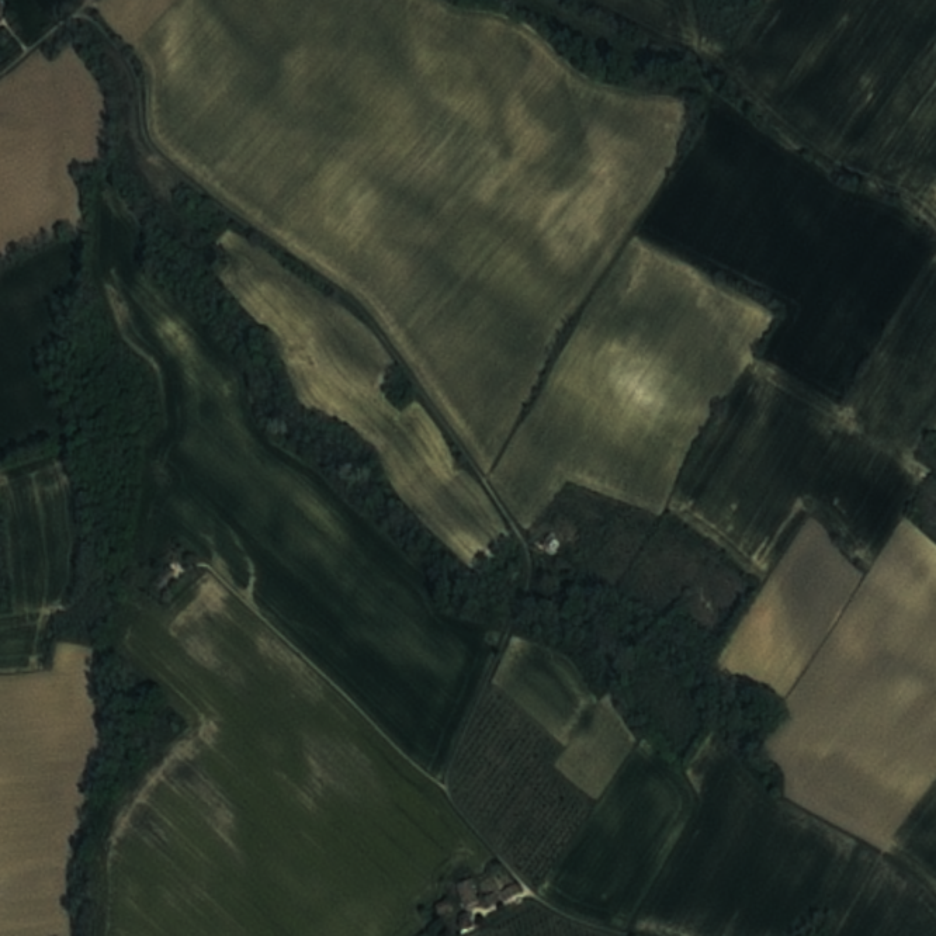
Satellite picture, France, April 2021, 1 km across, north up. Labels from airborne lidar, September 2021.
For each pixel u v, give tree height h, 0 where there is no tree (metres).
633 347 0
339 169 0
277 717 0
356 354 0
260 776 0
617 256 0
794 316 0
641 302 0
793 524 0
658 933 0
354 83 0
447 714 0
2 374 0
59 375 22
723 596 0
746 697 33
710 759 0
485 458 0
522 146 0
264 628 0
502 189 0
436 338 0
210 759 0
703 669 26
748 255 0
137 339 0
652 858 0
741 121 0
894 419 0
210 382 0
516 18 13
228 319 20
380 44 0
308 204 0
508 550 16
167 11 0
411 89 0
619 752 0
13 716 0
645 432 0
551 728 0
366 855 0
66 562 0
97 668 12
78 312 25
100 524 13
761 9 12
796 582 0
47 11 0
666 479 0
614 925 0
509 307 0
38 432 0
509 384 0
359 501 23
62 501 0
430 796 0
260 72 0
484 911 0
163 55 0
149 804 0
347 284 0
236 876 0
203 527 0
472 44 0
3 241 0
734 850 0
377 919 0
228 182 0
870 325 0
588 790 0
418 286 0
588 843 0
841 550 12
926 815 0
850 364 0
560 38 29
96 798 21
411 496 0
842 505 0
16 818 0
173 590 10
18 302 0
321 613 0
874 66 0
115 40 16
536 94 0
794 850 0
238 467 0
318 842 0
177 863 0
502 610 20
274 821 0
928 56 0
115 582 20
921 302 0
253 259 0
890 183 0
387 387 7
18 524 0
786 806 0
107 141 13
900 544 0
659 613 12
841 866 0
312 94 0
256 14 0
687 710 9
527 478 0
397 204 0
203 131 0
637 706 7
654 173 0
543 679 0
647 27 0
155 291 0
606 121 0
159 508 0
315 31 0
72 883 9
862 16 0
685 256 0
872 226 0
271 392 16
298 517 0
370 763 0
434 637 0
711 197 0
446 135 0
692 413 0
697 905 0
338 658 0
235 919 0
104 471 28
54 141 0
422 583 0
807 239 0
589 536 7
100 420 19
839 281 0
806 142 0
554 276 0
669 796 0
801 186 0
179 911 0
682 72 29
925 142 0
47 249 18
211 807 0
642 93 11
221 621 0
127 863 0
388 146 0
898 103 0
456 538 0
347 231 0
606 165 0
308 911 0
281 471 0
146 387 17
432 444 0
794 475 0
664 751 16
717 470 0
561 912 0
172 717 7
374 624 0
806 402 0
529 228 0
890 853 0
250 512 0
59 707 0
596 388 0
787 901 0
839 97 0
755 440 0
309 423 21
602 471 0
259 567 0
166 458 0
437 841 0
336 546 0
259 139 0
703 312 0
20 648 0
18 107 0
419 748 0
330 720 0
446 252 0
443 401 0
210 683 0
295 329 0
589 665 7
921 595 0
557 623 23
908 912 0
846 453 0
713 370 0
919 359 0
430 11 0
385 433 0
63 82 0
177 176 0
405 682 0
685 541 6
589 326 0
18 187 0
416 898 0
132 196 18
